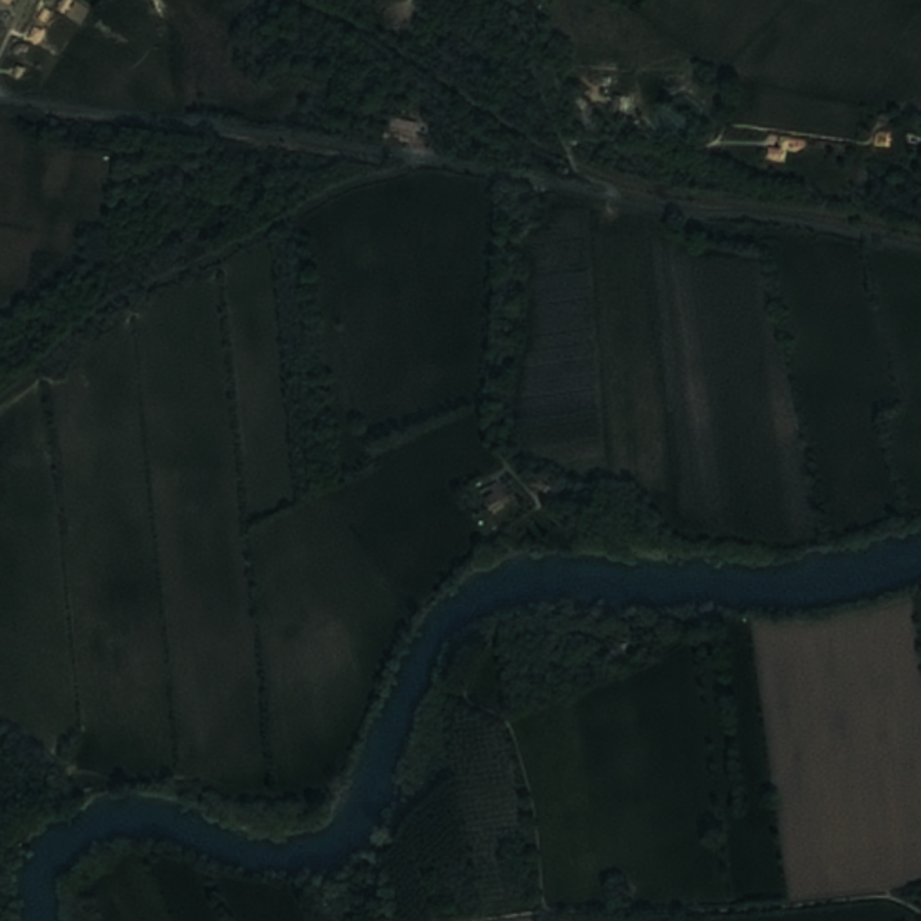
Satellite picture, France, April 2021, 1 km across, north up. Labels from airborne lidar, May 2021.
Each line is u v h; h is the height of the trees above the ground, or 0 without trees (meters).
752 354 14
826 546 21
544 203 17
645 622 17
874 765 0
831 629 0
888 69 0
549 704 19
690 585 0
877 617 0
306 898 28
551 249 13
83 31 0
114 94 0
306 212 0
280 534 0
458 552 0
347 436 0
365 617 0
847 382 0
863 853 0
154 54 0
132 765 0
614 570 0
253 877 7
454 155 20
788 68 0
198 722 0
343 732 0
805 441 16
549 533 6
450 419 15
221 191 16
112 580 0
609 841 0
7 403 0
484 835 0
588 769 0
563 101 12
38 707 0
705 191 9
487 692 0
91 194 0
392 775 0
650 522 24
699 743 0
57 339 24
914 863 0
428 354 0
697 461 13
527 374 13
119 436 0
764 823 0
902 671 0
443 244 0
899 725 0
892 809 0
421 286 0
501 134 23
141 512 0
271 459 0
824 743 0
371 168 15
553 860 0
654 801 0
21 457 0
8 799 10
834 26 0
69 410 0
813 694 0
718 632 24
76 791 14
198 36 0
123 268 19
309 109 16
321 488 16
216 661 0
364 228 0
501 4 23
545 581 0
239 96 0
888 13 0
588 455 15
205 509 0
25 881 0
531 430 16
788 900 6
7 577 0
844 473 0
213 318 0
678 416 11
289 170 15
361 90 17
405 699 0
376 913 16
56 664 0
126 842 13
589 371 13
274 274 6
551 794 0
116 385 0
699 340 13
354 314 0
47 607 0
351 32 21
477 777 0
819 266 0
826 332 0
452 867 25
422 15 12
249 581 9
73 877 14
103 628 0
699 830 0
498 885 0
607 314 0
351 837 0
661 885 0
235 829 8
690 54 0
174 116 0
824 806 0
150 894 0
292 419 16
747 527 12
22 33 0
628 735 0
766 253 15
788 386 11
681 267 13
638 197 0
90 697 0
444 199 0
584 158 13
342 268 0
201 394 0
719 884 0
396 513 0
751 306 13
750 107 0
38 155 0
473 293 0
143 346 0
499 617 15
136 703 0
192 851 14
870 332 0
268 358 0
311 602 0
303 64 26
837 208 16
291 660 0
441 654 14
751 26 0
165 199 16
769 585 0
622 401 0
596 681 18
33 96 0
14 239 0
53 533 0
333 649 0
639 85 0
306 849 0
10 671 0
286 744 0
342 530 0
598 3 0
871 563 0
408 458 0
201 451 0
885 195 17
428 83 25
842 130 0
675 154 15
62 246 0
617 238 0
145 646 0
